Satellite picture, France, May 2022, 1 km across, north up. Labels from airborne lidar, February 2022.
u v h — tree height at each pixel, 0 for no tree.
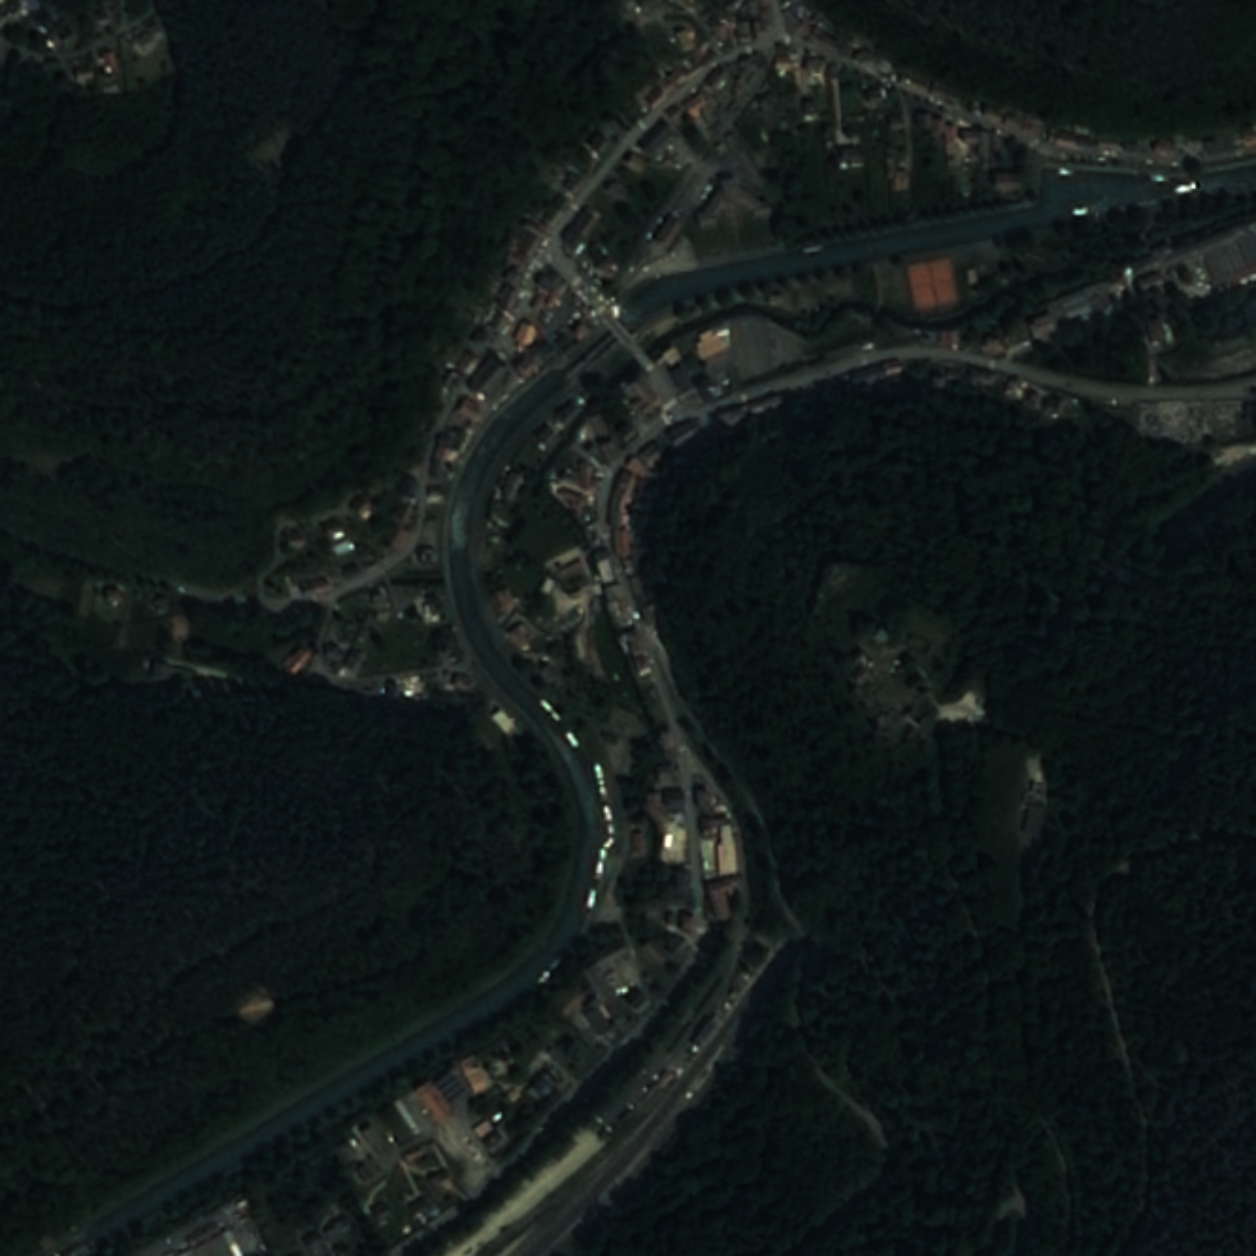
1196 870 15
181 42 17
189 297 22
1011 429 8
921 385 10
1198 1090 26
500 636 0
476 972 12
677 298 0
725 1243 25
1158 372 0
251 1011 0
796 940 9
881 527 0
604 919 0
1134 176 0
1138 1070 8
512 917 27
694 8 0
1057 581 26
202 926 19
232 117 20
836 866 23
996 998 17
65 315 24
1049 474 25
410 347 24
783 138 6
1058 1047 10
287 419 24
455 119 37
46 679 29
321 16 18
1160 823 11
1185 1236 27
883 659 0
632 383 0
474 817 29
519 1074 11
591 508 0
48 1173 22
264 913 18
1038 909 16
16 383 26
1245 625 19
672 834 0
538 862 27
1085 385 0
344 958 22
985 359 0
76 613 25
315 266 15
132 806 20
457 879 14
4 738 14
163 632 0
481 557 0
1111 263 13
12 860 20
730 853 0
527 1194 0
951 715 0
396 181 31
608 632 0
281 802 13
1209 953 19
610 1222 24
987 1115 15
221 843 23
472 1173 0
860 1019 15
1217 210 17
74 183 17
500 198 24
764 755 24
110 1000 25
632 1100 0
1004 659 10
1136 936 15
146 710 19
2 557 26
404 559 0
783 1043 30
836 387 9
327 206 20
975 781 21
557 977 11
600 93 24
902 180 0
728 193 0
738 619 27
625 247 7
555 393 0
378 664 0
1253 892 25
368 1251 6
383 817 22
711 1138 18
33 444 14
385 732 21
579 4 25
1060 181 0
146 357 22
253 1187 10
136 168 14
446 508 0
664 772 0
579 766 0
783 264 0
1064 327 18
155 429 17
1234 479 0
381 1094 17
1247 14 16
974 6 27
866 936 22
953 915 30
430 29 24
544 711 0
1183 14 20
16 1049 25
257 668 15
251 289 19
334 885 19
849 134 8
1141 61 21
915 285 0
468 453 0
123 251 21
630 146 0
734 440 17
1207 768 28
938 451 28
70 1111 29
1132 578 33
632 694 0
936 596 6
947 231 0
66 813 21
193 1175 0
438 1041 0
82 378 19
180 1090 29
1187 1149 25
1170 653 12
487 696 0
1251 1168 26
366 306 20
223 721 25
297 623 20
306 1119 0
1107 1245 28
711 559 20
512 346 0
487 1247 0
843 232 11
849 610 0
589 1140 0
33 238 17
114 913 21
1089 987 10
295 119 31
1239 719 25
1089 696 18
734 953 0
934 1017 19
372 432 18
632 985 0
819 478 16
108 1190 27
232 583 0
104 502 16
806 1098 30
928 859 11
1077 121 7
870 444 24
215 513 17
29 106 20
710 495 23
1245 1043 23
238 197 26
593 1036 0
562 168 0
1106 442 18
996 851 0
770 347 0
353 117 20
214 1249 0
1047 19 34
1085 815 12
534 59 23
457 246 26
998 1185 29
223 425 24
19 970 23
